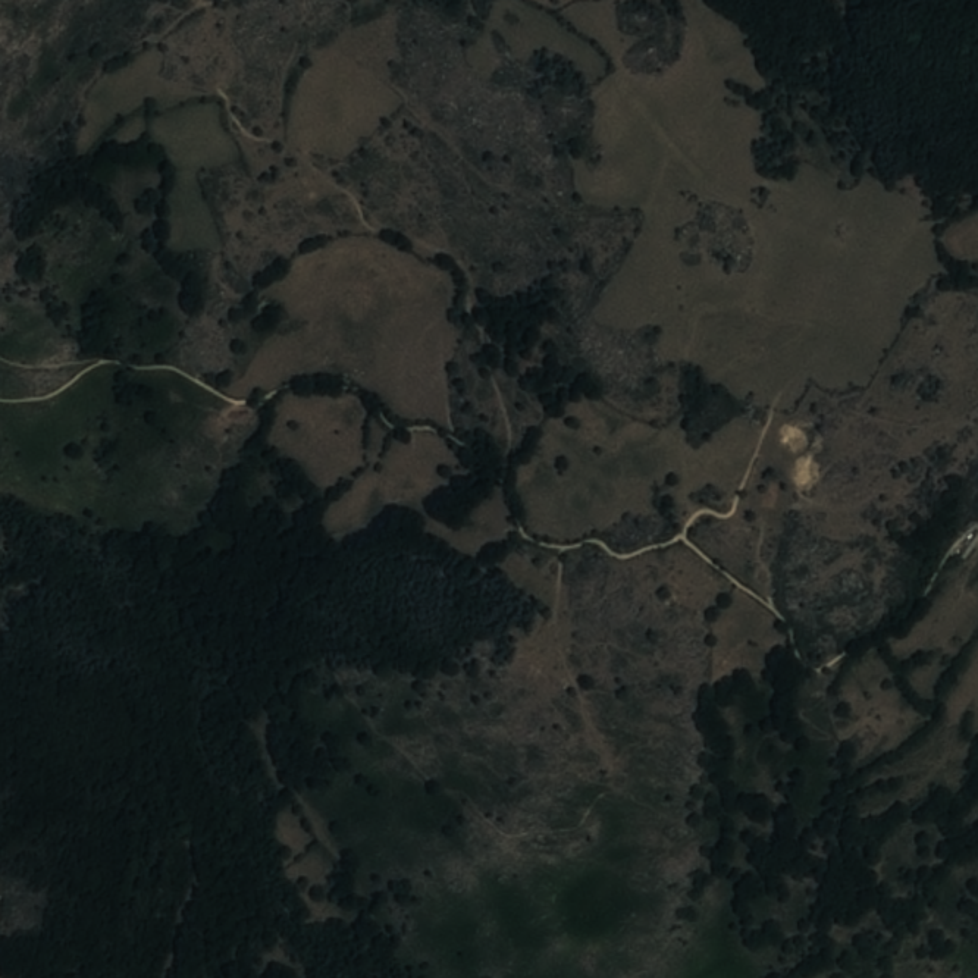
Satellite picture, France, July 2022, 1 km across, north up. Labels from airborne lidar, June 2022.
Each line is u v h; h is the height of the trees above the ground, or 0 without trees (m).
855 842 21
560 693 0
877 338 0
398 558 13
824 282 0
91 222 0
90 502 0
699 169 0
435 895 0
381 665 15
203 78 0
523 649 0
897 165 16
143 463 0
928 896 19
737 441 0
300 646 20
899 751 7
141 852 9
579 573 0
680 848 0
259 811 10
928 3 17
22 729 21
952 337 0
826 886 16
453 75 0
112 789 25
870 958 15
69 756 21
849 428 0
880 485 0
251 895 16
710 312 0
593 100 6
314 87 0
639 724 0
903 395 0
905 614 9
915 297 6
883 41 17
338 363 0
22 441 0
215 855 15
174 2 0
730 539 0
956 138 18
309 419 0
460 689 0
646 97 0
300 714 12
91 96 0
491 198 0
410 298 0
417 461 0
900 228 0
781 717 19
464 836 0
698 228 0
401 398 0
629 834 0
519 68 0
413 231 0
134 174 0
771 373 0
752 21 19
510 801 0
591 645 0
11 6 0
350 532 0
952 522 12
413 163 0
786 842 21
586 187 0
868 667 0
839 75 17
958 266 15
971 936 20
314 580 21
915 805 10
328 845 0
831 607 0
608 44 0
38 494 0
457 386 14
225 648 22
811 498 0
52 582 16
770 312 0
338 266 0
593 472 0
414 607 15
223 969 12
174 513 0
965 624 0
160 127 0
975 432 0
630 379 0
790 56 15
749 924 15
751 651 0
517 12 0
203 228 0
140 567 21
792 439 0
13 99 0
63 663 15
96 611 15
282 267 19
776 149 15
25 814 9
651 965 0
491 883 0
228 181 0
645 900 0
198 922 22
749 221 0
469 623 17
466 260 0
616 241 0
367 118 0
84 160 9
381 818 0
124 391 14
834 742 0
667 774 0
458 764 0
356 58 0
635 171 0
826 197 0
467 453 18
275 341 0
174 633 8
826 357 0
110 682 17
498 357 13
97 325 17
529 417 0
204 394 0
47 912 8
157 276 0
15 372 0
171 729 18
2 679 20
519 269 0
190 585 26
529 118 0
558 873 0
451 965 0
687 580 0
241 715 15
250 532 17
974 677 0
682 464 0
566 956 0
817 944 10
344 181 12
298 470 18
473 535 0
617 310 0
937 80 20
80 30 0
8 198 0
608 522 0
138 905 17
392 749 0
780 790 16
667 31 0
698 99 0
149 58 0
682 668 0
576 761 0
